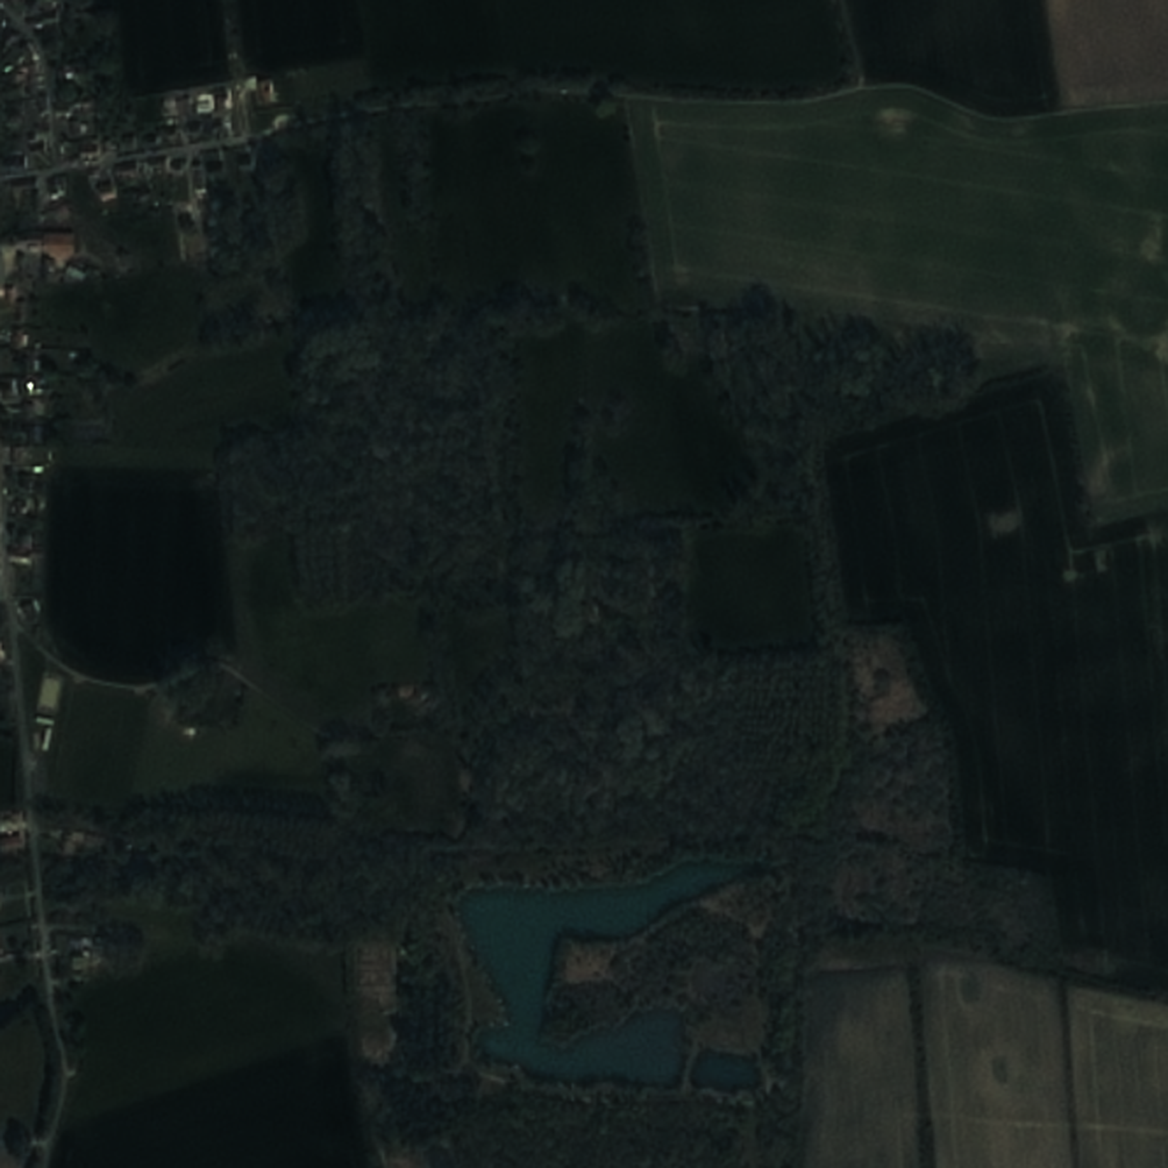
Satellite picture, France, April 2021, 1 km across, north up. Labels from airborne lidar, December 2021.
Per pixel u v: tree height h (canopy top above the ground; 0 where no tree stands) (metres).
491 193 0
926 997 0
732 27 0
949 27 0
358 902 23
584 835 14
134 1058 0
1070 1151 0
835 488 0
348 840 15
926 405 28
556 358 0
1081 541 0
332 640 0
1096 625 0
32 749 0
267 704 0
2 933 0
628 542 30
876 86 0
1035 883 11
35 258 0
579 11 0
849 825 7
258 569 0
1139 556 0
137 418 0
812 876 8
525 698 11
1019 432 0
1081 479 11
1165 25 0
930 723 8
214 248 18
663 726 21
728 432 0
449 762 0
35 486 8
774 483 8
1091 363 0
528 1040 0
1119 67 0
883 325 0
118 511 0
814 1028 0
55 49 19
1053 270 0
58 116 0
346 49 0
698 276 0
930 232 0
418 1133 20
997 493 0
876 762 6
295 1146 0
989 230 0
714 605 0
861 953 0
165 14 0
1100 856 0
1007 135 0
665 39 0
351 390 24
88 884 21
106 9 15
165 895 17
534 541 23
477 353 27
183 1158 0
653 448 0
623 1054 0
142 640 0
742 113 0
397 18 0
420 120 9
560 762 28
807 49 0
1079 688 0
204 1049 0
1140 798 0
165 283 0
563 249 0
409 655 0
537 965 0
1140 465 0
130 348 0
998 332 0
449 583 8
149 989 0
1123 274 0
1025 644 0
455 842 12
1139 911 0
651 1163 8
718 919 6
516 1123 12
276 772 0
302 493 33
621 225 0
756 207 0
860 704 6
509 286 0
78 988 9
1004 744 0
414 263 0
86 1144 0
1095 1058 0
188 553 0
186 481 0
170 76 0
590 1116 9
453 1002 16
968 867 11
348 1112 0
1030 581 0
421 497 23
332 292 0
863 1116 0
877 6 0
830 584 22
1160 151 0
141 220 6
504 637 0
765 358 30
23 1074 0
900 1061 0
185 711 14
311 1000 0
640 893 0
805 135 0
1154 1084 0
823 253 0
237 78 0
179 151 0
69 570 0
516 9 0
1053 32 0
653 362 0
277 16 0
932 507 0
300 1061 0
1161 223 0
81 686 0
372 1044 0
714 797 15
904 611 0
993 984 0
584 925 0
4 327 0
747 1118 13
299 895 28
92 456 0
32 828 0
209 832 29
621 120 0
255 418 0
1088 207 0
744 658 12
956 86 0
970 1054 0
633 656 27
